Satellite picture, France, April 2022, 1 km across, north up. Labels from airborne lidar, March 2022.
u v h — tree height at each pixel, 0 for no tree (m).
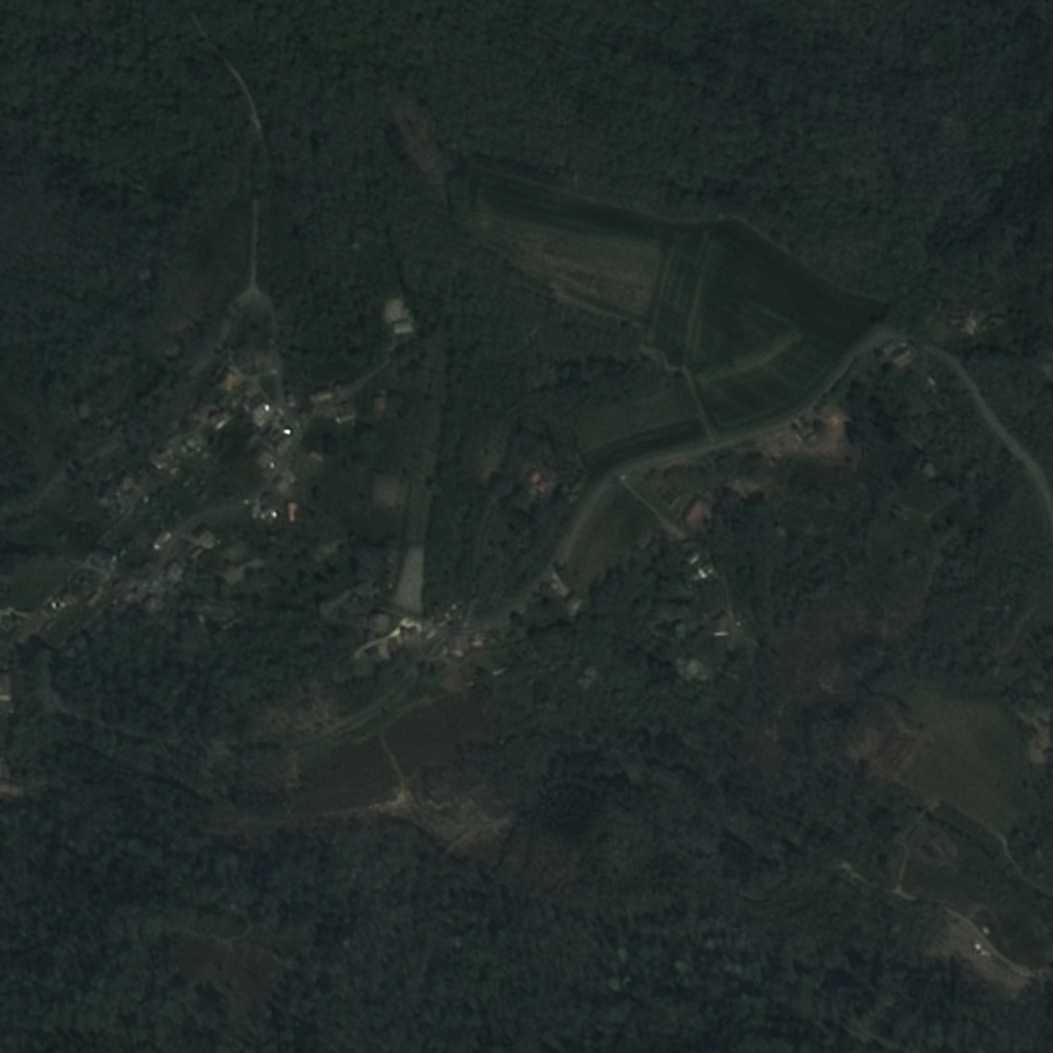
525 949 32
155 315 9
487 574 12
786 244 17
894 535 0
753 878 20
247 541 8
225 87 18
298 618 9
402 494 0
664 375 9
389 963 20
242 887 27
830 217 20
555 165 15
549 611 15
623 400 11
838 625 0
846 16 25
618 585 23
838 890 20
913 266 21
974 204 21
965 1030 34
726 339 0
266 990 27
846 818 23
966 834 9
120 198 31
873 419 21
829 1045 17
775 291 0
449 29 25
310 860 28
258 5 10
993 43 22
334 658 13
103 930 8
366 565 21
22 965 10
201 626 20
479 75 21
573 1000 24
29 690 6
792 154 25
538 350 13
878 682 23
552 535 16
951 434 9
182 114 21
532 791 20
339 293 10
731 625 0
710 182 19
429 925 20
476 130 20
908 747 0
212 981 0
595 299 0
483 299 17
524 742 10
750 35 25
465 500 8
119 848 22
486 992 24
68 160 22
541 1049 28
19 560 23
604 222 0
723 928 23
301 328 14
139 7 12
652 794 14
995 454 14
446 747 0
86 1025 27
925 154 23
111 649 12
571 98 11
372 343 10
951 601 15
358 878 21
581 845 20
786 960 23
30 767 16
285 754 25
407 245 24
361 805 0
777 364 0
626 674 15
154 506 6
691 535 13
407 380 18
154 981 25
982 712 0
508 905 19
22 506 20
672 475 11
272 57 18
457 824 0
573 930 28
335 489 0
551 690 13
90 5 23
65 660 0
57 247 22
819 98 31
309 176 27
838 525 6
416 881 11
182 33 15
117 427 7
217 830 8
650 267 0
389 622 0
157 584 0
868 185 15
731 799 28
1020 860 16
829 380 0
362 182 10
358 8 23
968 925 0
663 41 26
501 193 0
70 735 30
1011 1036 29
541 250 0
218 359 10
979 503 23
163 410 21
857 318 0
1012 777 0
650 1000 32
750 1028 20
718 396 0
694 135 11
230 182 30
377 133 22
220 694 21
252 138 20
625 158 18
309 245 30
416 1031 28
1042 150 25
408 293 23
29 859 8
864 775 13
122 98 14
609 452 0
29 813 23
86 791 20
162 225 6
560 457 17
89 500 0
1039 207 24
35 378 6
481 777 23
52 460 0
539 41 22
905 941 7
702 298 0
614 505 0
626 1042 24
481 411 9
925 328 11
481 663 0
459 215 15
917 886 0
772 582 6
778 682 22
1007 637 18
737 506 31
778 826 9
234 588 8
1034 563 13
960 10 24
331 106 28
